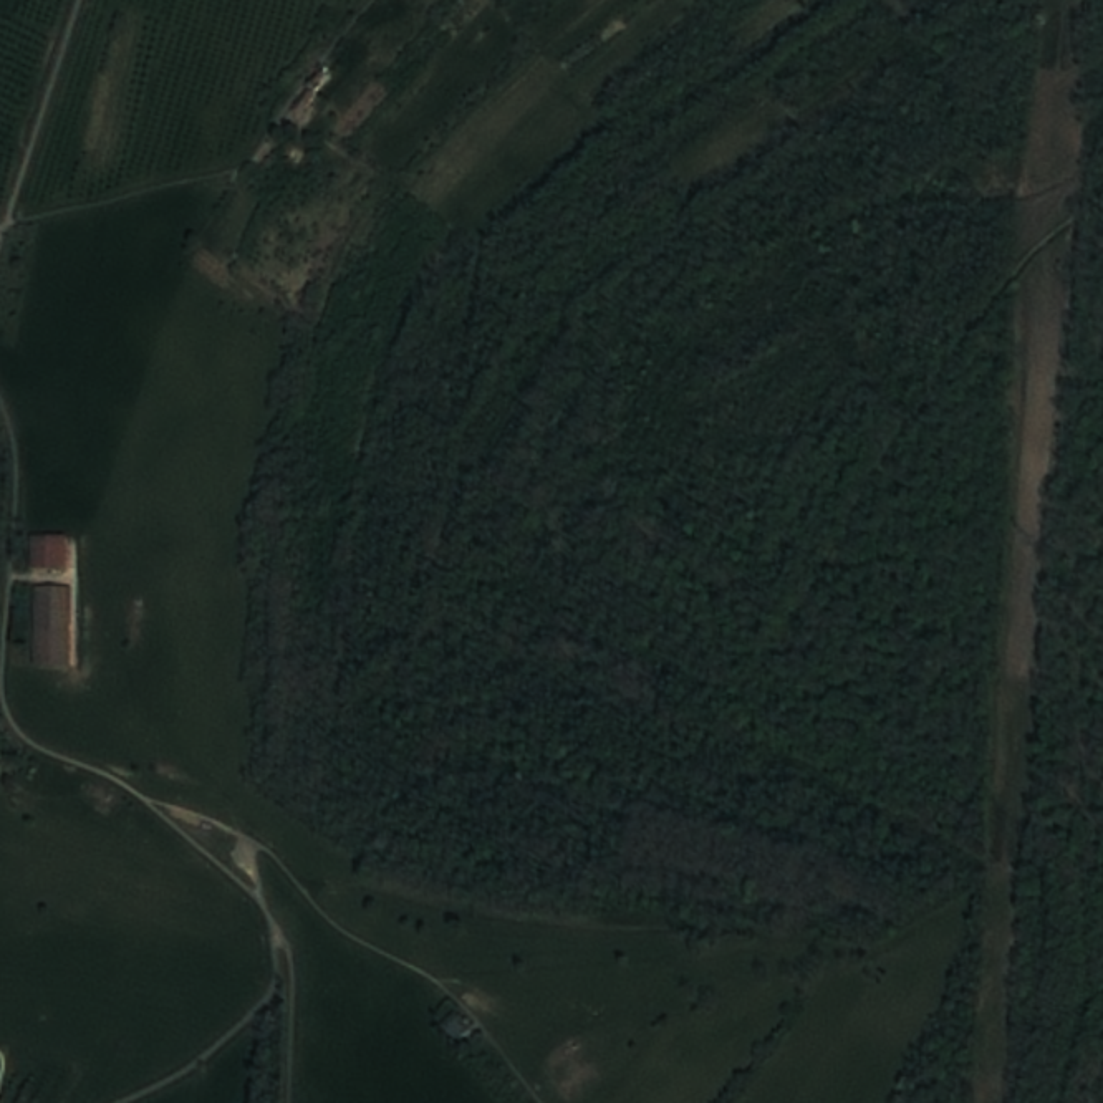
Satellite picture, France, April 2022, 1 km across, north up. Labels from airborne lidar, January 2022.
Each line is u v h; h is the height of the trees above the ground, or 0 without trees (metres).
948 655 26
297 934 0
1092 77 10
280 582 26
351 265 8
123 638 0
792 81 17
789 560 18
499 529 24
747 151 0
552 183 13
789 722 21
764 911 7
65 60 0
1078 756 27
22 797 0
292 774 22
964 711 24
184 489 0
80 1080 0
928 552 19
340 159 0
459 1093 0
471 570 19
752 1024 0
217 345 0
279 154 6
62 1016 0
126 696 0
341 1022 0
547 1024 0
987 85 25
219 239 0
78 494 0
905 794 27
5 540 17
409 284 8
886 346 8
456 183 0
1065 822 24
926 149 27
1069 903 21
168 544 0
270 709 22
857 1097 0
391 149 0
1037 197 0
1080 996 23
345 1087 0
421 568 28
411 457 25
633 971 0
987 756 24
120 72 0
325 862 0
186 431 0
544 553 28
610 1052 0
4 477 19
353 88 0
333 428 6
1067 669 24
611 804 25
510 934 0
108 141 0
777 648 15
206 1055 0
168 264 0
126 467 0
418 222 7
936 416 26
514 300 23
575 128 0
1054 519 21
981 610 23
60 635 0
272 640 22
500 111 0
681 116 19
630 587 24
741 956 0
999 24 20
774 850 38
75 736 0
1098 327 23
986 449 26
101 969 0
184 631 0
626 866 27
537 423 29
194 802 0
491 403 31
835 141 19
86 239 0
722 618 21
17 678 0
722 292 6
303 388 19
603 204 26
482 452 30
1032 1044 20
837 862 33
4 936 0
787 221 32
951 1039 22
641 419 12
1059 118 0
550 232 28
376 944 0
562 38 0
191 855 0
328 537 7
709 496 18
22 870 0
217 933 0
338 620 27
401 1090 0
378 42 0
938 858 19
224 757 0
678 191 16
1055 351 0
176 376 0
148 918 0
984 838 27
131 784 0
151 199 0
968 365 24
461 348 23
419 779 21
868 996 0
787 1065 0
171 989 0
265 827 0
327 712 22
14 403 0
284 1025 16
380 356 8
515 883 27
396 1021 0
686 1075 0
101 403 0
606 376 31
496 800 28
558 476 33
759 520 25
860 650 26
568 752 22
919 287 17
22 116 0
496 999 0
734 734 27
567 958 0
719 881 29
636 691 31
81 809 0
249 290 0
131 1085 0
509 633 28
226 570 0
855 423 22
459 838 26
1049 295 0
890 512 25
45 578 0
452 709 22
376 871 21
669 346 8
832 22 24
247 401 0
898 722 21
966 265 20
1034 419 0
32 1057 0
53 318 0
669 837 33
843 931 24
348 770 19
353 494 9
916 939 0
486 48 0
